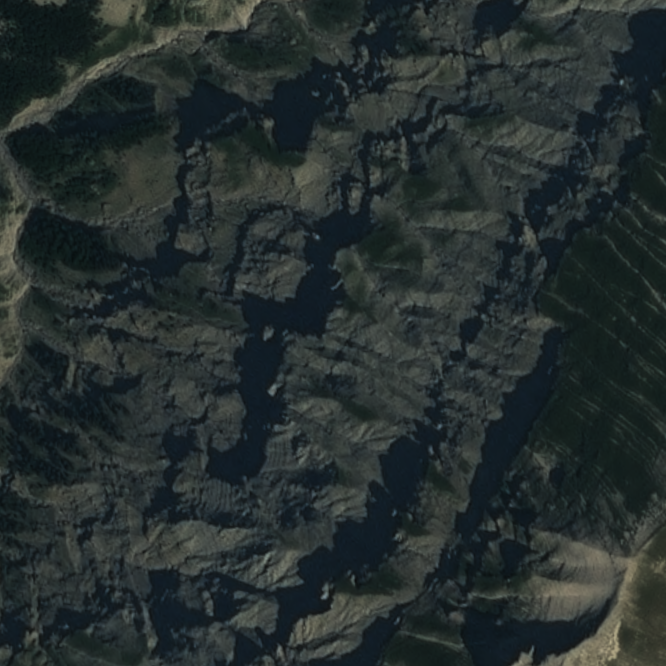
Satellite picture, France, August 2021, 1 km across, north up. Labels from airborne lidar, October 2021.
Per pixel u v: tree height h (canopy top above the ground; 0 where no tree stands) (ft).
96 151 23
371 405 0
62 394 0
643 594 0
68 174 0
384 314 0
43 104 0
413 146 0
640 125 0
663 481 0
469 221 0
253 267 0
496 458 0
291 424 0
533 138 0
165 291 36
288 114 0
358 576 0
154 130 25
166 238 0
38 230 46
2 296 0
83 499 0
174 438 0
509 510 0
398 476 0
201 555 0
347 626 0
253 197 0
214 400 0
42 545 0
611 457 0
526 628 0
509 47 0
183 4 0
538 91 0
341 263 0
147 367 0
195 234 0
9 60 24
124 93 28
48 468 54
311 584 0
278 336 0
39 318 0
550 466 0
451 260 0
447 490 0
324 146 0
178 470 0
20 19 42
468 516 0
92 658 0
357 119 0
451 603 0
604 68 0
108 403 42
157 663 0
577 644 0
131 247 0
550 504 0
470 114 0
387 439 0
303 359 0
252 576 0
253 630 0
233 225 0
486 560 0
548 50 0
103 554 0
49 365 59
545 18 0
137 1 0
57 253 61
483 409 0
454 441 0
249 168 0
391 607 0
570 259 0
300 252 0
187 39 0
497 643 0
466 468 0
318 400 0
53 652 0
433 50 0
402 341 0
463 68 0
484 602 0
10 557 0
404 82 0
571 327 0
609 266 0
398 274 0
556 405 0
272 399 0
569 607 0
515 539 0
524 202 0
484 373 0
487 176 0
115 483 0
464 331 0
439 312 0
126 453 0
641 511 0
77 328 0
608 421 0
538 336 0
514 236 0
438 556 0
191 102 0
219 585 0
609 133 0
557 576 0
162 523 0
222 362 0
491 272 0
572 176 0
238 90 0
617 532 0
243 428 0
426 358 0
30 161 50
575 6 0
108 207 0
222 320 0
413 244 0
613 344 0
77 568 0
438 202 0
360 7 0
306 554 0
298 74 0
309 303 0
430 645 0
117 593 0
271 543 0
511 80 0
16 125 0
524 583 0
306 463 0
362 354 0
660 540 0
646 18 0
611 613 0
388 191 0
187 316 0
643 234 0
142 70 0
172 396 0
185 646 0
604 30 0
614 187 0
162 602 0
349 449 0
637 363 0
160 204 0
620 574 0
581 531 0
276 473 0
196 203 0
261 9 0
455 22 0
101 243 37
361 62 0
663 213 0
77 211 0
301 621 0
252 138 0
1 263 0
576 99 0
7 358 0
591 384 0
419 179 0
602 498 0
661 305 0
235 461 0
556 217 0
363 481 0
